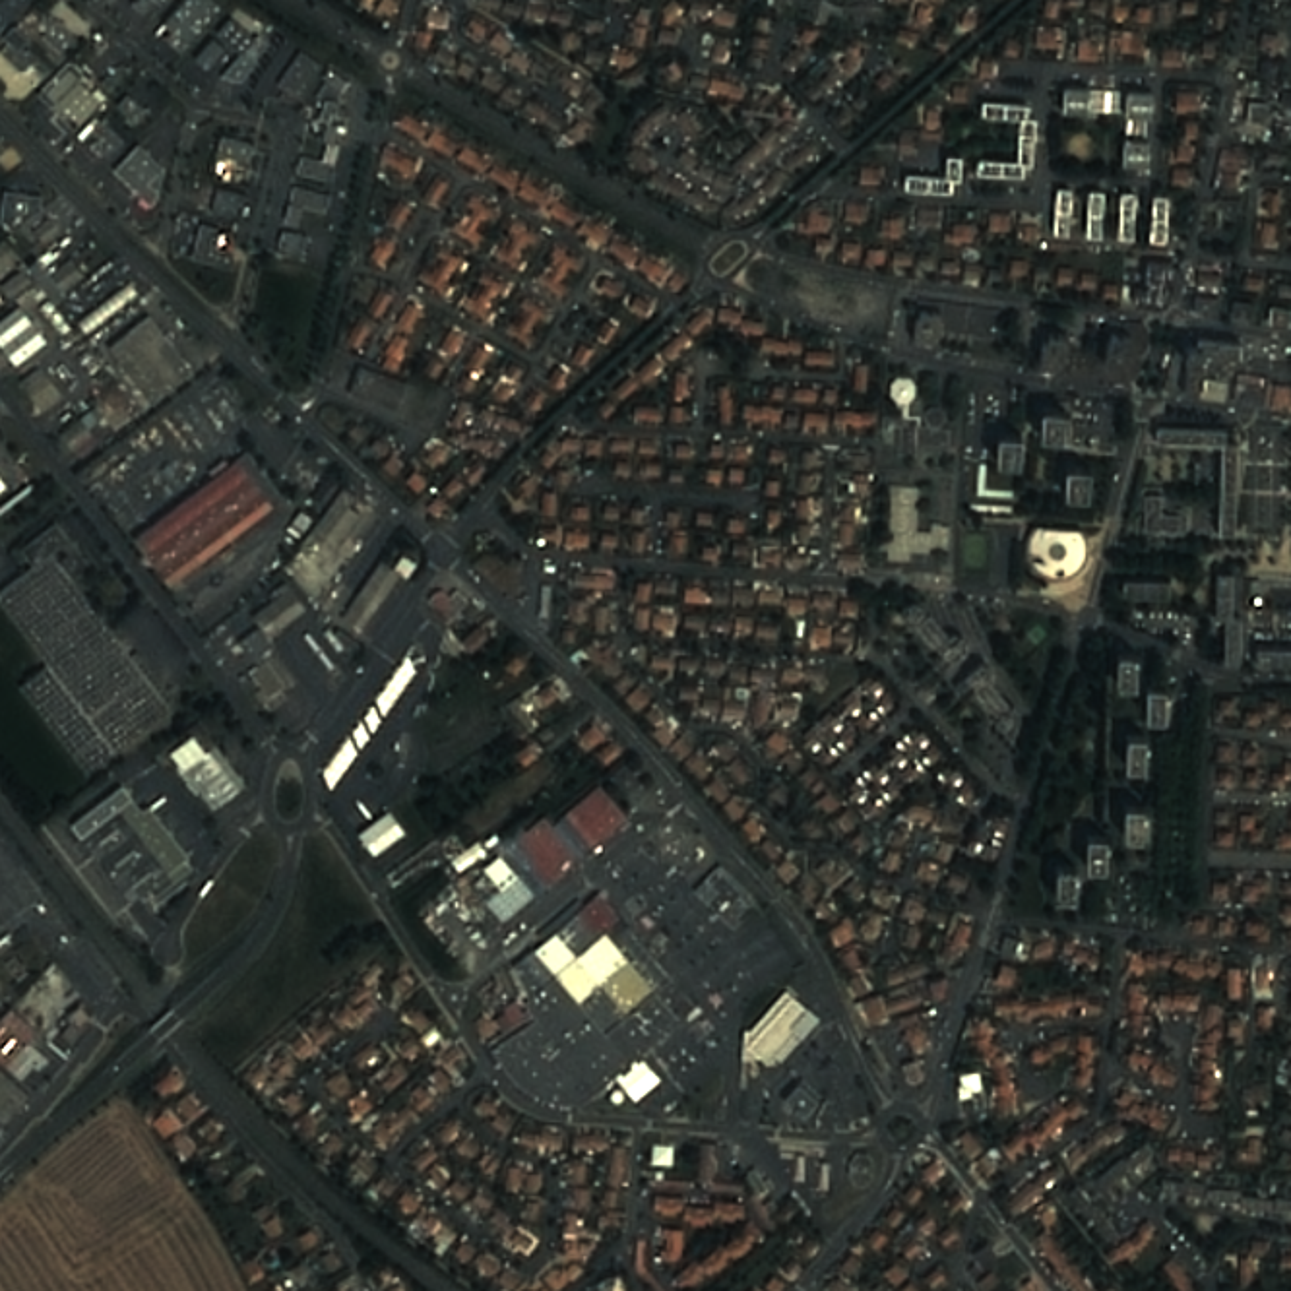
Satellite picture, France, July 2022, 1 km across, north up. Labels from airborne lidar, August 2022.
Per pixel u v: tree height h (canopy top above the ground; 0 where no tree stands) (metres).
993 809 10
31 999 0
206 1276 0
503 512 8
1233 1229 10
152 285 0
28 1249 0
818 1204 0
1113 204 12
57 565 0
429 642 0
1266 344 0
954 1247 0
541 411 6
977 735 9
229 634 0
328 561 0
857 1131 0
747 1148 0
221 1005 0
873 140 6
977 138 11
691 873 0
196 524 0
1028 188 6
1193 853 15
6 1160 0
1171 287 8
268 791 0
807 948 0
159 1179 0
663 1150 0
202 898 0
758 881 0
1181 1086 0
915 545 0
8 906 0
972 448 0
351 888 0
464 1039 0
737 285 0
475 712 0
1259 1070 6
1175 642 14
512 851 0
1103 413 0
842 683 0
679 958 0
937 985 0
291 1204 7
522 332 0
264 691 0
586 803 0
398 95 0
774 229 7
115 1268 0
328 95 0
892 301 0
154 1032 0
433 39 5
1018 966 9
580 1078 0
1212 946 0
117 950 0
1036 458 9
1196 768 15
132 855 0
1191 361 0
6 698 0
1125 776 8
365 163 7
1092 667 15
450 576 0
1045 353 0
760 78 0
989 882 15
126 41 0
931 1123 0
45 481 10
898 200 5
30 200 0
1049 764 16
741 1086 0
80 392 0
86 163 0
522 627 0
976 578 0
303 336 0
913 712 11
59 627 0
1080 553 0
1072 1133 0
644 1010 0
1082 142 0
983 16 6
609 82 9
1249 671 12
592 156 10
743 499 0
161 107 0
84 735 0
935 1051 0
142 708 0
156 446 0
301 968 0
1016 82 8
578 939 0
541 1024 0
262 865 0
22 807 8
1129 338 0
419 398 0
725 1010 0
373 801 0
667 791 0
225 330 0
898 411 10
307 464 0
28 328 0
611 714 0
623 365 7
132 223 0
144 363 0
